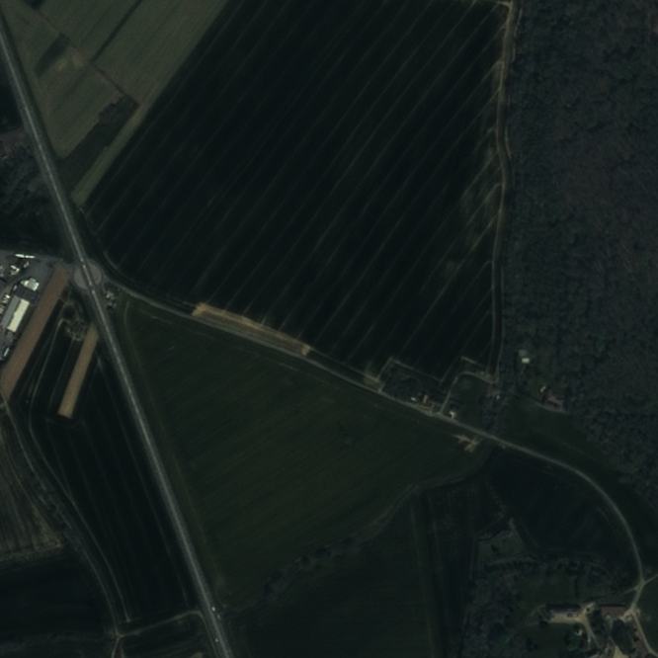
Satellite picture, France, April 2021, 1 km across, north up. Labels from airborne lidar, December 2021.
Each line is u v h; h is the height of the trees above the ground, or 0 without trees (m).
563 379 19
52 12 0
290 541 0
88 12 0
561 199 24
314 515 0
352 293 0
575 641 15
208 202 0
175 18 0
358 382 0
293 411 0
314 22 0
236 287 0
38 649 0
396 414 0
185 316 0
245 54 0
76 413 0
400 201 0
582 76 23
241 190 0
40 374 0
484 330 0
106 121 9
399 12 0
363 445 0
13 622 0
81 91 0
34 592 0
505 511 0
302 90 0
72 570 0
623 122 26
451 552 0
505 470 0
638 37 25
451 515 0
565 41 23
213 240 0
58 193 0
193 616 0
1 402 0
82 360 0
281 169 0
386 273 0
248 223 0
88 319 0
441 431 0
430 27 0
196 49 0
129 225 0
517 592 16
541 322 24
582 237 6
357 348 0
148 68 0
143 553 0
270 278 0
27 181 7
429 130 0
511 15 0
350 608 0
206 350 0
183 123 0
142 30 0
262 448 0
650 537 0
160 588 0
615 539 0
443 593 0
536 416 0
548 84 28
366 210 0
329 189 0
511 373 15
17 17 0
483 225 0
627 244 25
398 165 0
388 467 0
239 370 0
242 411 0
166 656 0
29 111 0
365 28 0
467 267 0
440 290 0
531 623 0
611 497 0
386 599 0
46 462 0
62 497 0
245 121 0
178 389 0
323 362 0
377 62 0
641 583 0
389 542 0
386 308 0
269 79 0
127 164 0
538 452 0
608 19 25
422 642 0
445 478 0
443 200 0
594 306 27
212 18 0
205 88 0
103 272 0
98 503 0
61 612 0
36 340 0
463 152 0
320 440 0
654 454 15
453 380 0
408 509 0
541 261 11
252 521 0
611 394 22
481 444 0
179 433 0
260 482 0
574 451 0
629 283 27
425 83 0
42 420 0
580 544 0
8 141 0
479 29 0
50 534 0
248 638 0
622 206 24
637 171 25
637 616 0
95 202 0
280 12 0
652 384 26
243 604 0
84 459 0
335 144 0
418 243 0
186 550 0
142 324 0
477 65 0
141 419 0
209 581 0
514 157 10
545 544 0
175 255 0
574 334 22
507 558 11
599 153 25
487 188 0
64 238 0
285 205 0
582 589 20
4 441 0
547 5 20
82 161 0
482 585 21
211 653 0
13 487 0
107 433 0
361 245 0
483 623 12
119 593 0
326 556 19
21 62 0
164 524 0
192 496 0
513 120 24
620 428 15
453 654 0
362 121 0
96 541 0
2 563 0
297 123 0
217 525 0
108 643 14
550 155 23
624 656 0
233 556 0
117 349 0
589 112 25
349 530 0
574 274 22
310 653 0
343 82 0
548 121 26
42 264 0
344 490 0
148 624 0
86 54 0
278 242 0
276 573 0
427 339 0
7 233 0
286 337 0
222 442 0
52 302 0
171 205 0
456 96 0
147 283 0
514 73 17
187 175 0
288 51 0
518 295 16
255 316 0
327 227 0
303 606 0
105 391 0
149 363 0
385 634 0
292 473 0
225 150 0
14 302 0
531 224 15
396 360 0
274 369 0
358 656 0
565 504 0
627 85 24
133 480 0
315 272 0
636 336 15
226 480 0
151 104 0
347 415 0
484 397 0
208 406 0
